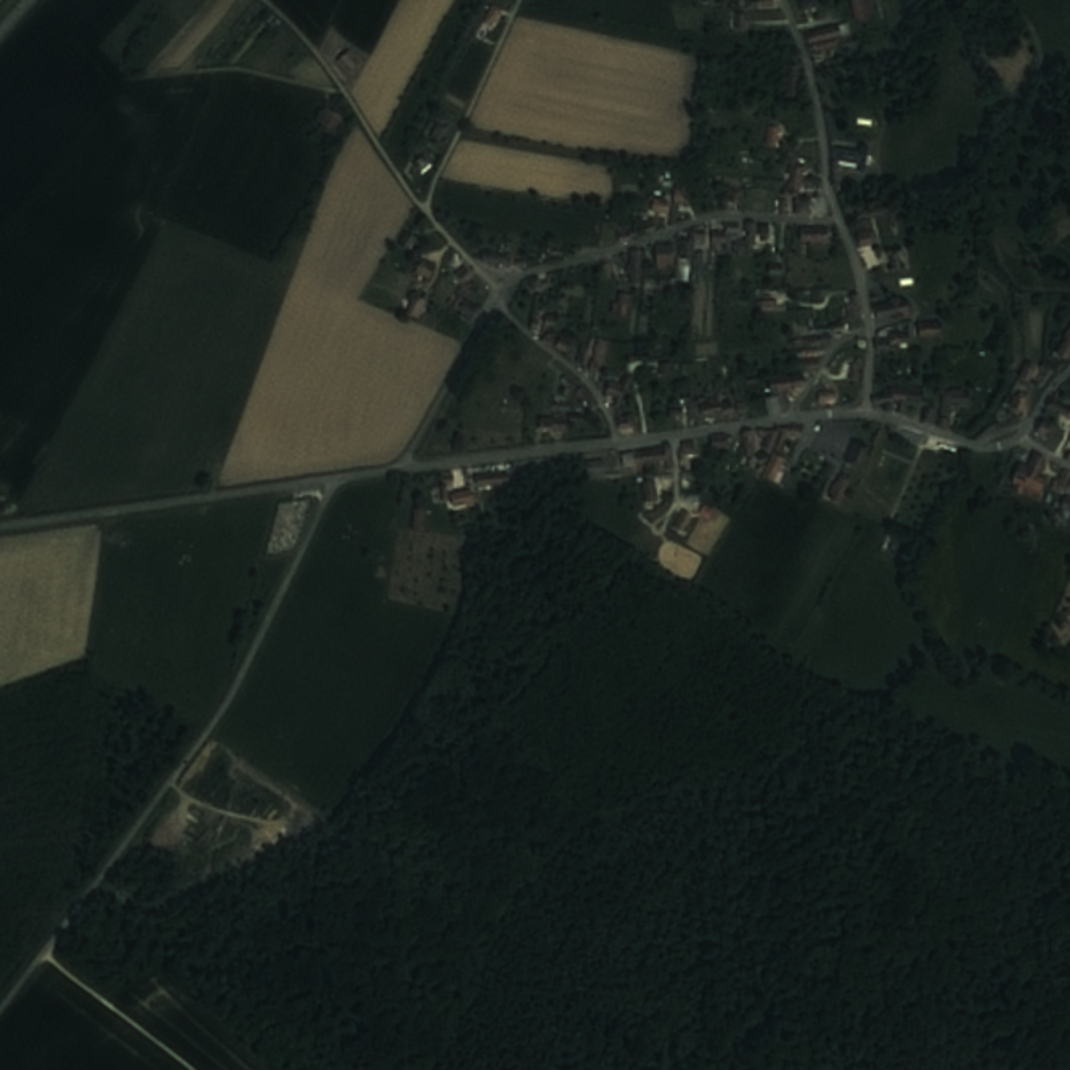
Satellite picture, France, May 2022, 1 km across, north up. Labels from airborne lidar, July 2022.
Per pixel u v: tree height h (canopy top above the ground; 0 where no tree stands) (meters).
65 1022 0
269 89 0
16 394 0
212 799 0
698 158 18
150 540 0
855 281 0
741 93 14
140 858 11
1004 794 22
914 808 25
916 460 0
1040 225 27
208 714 0
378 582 0
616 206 12
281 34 0
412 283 0
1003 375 9
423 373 0
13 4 0
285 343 0
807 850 24
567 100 0
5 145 0
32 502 0
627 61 0
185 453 0
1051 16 0
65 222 0
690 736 18
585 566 22
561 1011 21
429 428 0
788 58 7
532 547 21
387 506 0
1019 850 24
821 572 0
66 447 0
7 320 0
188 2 0
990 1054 23
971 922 25
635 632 17
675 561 0
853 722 21
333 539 0
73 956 17
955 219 34
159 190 0
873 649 0
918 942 20
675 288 12
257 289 0
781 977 26
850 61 15
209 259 0
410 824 27
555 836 25
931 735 14
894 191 13
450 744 11
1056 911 29
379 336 0
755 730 18
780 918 25
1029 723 0
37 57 0
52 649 0
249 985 29
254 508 0
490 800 25
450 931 25
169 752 24
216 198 0
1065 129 18
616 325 7
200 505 0
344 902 27
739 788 20
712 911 21
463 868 25
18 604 0
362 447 0
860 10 0
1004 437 0
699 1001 15
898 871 26
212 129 0
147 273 0
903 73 24
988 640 0
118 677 0
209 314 0
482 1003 20
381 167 0
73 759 7
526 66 0
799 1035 20
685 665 16
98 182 0
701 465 11
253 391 0
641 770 19
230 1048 0
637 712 19
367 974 19
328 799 0
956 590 0
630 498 9
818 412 0
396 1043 27
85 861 25
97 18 0
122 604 0
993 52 14
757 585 0
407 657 0
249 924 26
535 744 17
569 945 18
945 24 27
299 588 0
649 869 16
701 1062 23
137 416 0
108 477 0
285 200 0
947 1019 25
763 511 0
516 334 15
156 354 0
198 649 0
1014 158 16
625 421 0
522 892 15
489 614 19
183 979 21
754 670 18
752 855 19
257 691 0
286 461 0
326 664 0
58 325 0
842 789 23
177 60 0
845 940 25
